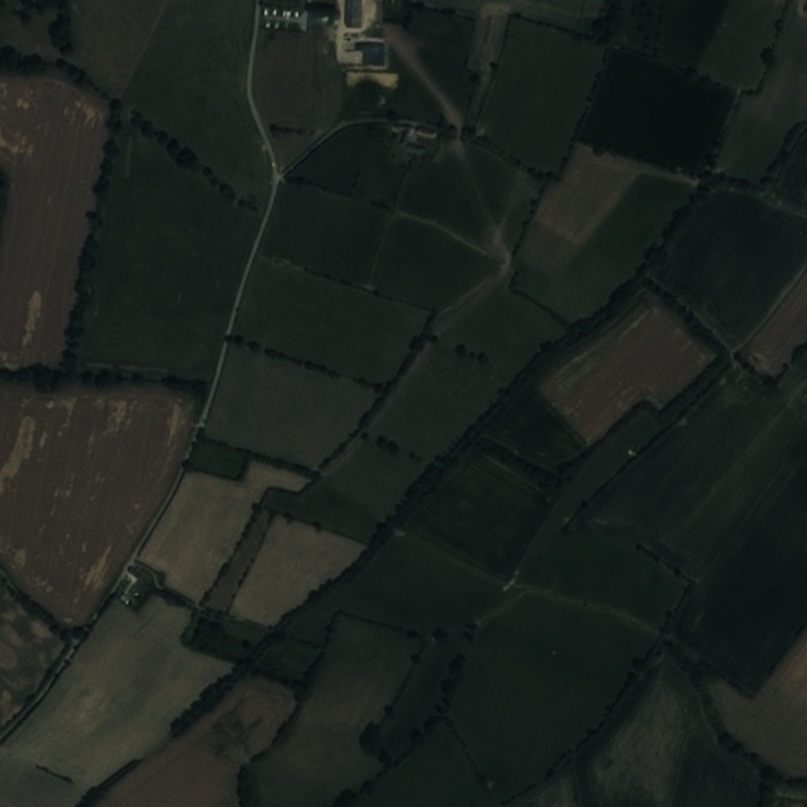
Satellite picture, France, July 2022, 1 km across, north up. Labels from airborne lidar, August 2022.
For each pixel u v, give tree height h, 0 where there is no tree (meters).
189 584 0
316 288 0
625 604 0
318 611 0
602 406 0
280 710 0
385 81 0
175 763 0
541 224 0
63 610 0
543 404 0
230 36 0
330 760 0
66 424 0
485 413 6
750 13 0
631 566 0
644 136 0
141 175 0
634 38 0
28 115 0
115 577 0
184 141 0
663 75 0
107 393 0
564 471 15
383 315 0
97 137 0
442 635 19
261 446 0
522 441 0
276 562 0
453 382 0
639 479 0
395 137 7
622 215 0
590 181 0
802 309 0
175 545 0
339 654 0
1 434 0
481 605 0
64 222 0
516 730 0
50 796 0
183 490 0
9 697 0
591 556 0
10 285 0
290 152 0
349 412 0
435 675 0
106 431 0
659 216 0
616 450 0
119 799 0
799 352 13
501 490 0
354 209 0
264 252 0
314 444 0
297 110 0
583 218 0
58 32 17
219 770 0
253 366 0
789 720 0
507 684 0
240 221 0
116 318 0
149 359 0
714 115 0
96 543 0
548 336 0
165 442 0
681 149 0
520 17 8
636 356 0
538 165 0
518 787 0
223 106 0
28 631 0
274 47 0
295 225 0
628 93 0
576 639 0
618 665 0
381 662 0
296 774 0
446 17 11
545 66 0
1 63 23
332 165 0
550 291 0
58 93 0
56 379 23
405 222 0
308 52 0
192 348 0
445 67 0
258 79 0
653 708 0
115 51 0
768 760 0
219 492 0
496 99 0
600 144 6
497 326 0
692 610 0
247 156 0
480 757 0
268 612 0
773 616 0
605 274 0
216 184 9
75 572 0
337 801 8
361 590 0
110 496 0
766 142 0
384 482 0
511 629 0
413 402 0
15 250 0
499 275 0
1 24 0
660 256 21
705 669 6
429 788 0
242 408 0
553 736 0
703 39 0
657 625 0
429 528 0
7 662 0
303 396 0
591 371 0
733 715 0
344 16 0
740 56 0
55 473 0
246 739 0
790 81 0
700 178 8
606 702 0
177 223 0
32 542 0
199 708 12
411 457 11
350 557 0
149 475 0
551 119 0
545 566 0
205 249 0
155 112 0
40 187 0
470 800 0
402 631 10
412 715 0
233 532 0
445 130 10
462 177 0
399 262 0
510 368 0
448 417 0
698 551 0
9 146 0
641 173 0
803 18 0
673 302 19
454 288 0
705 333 12
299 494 8
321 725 0
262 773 0
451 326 0
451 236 0
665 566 7
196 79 0
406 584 0
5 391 0
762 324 0
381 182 0
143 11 0
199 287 0
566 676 0
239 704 0
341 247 0
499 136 0
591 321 7
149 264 0
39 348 0
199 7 0
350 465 0
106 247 0
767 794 14
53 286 0
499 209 0
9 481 0
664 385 0
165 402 0
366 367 0
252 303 0
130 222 0
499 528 0
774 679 0
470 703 0
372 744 21
